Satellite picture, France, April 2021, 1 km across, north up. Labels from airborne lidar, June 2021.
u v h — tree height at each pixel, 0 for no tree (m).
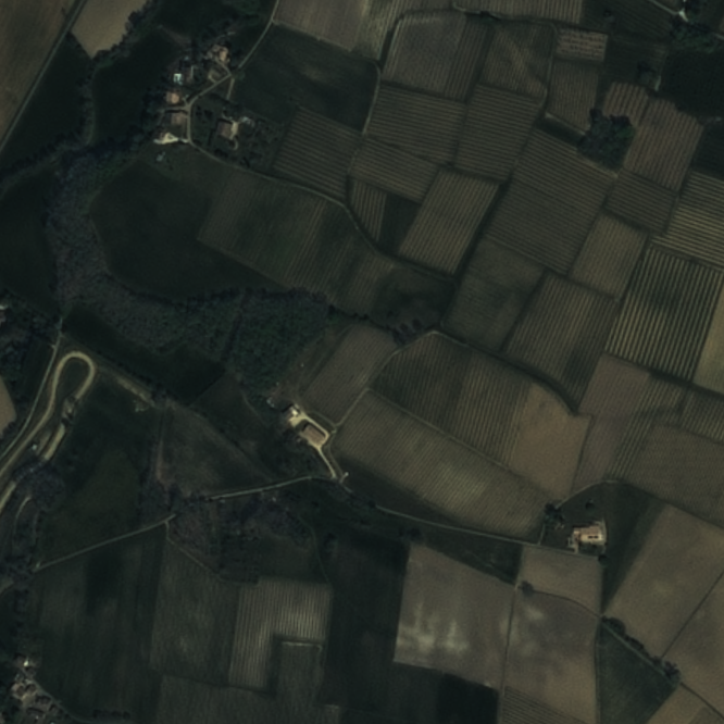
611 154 11
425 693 0
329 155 0
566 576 0
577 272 0
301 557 0
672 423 0
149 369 0
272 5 0
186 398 0
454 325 0
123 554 0
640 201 0
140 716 0
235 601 0
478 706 0
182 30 0
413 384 0
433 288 0
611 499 0
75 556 0
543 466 0
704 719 0
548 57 0
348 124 0
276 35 0
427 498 0
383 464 0
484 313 0
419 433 0
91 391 0
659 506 0
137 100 0
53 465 0
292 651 0
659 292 0
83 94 11
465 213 0
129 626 0
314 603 0
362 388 0
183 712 0
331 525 0
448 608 0
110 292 20
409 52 0
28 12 0
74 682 0
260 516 19
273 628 0
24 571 14
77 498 0
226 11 0
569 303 0
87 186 19
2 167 0
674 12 0
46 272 0
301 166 0
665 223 0
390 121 0
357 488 0
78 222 21
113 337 0
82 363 0
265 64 0
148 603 0
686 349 0
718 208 0
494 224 0
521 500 0
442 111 0
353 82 0
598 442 0
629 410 0
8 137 0
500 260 0
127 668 0
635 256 0
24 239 0
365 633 0
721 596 0
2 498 0
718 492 0
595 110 0
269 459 0
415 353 0
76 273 13
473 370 0
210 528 18
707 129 0
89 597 0
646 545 0
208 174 0
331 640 0
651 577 0
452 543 0
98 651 0
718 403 0
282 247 0
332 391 0
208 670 0
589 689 0
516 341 0
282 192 0
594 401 0
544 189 0
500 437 0
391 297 0
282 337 24
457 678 0
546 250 0
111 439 0
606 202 0
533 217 0
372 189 0
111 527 0
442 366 0
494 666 0
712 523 0
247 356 24
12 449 0
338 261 0
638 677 0
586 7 0
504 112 0
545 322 0
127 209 0
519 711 0
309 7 0
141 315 23
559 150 0
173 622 0
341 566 0
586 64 0
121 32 0
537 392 0
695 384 0
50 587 0
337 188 0
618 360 0
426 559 0
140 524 11
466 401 0
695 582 0
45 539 0
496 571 0
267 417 17
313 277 0
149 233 0
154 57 0
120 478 0
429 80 0
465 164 0
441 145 0
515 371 0
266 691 0
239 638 0
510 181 0
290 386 0
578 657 0
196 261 0
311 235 0
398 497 0
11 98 0
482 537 0
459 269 0
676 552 0
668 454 0
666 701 0
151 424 0
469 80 0
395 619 0
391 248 0
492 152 0
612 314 0
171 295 0
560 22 0
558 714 0
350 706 0
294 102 7
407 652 0
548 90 0
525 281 0
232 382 0
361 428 0
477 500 0
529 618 0
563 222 0
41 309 0
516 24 0
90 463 0
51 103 0
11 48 0
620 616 0
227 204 0
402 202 0
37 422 0
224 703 0
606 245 0
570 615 0
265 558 0
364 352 0
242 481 0
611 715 0
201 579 0
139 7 0
